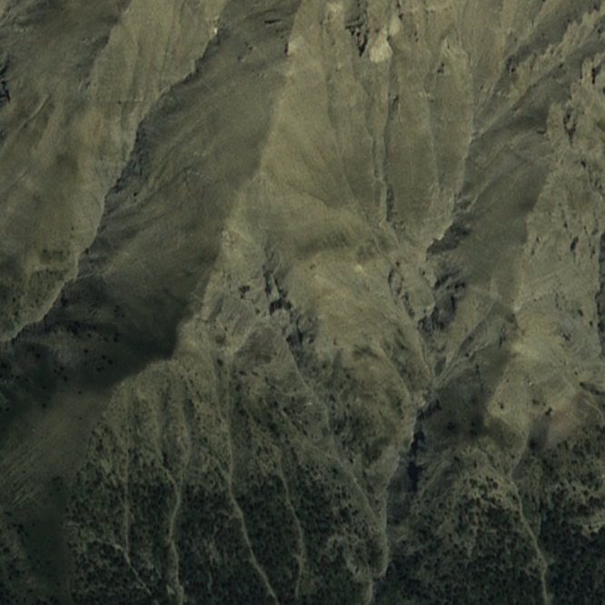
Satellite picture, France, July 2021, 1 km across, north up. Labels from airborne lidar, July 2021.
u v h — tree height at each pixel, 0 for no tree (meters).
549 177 0
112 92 0
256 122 0
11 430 0
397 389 0
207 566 9
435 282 0
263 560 9
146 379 0
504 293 0
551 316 0
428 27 0
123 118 0
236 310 0
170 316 0
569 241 0
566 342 0
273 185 0
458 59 0
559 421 0
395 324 0
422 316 0
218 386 0
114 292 0
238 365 0
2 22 0
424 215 0
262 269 0
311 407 0
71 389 0
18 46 0
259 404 0
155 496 11
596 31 0
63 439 0
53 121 0
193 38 0
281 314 0
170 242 0
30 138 0
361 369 0
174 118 0
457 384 0
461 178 0
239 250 0
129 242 0
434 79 0
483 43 0
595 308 0
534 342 0
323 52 0
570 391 0
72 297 0
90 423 0
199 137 0
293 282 0
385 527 0
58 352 0
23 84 0
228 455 0
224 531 10
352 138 0
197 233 0
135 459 7
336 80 0
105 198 0
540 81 0
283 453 0
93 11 0
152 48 0
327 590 7
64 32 0
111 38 0
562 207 0
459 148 0
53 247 0
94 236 0
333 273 0
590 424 0
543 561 0
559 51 0
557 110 0
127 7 0
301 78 0
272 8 0
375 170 0
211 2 0
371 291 0
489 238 0
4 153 0
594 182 0
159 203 0
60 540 0
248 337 0
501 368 0
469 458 0
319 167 0
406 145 0
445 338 0
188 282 0
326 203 0
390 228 0
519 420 0
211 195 0
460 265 0
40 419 0
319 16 0
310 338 0
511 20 0
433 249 0
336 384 0
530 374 0
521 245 0
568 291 0
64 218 0
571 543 9
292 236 0
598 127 0
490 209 0
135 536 11
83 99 0
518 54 0
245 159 0
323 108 0
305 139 0
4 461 0
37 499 0
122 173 0
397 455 0
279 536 7
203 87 0
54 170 0
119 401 0
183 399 0
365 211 0
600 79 0
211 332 0
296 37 0
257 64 0
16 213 0
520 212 0
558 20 0
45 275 0
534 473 0
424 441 0
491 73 0
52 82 0
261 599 14
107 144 0
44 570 0
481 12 0
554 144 0
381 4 0
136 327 0
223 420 0
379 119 0
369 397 0
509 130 0
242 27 0
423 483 0
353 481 0
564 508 7
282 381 0
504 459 0
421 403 0
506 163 0
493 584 8
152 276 0
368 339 0
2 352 0
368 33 0
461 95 0
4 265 0
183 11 0
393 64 0
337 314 0
